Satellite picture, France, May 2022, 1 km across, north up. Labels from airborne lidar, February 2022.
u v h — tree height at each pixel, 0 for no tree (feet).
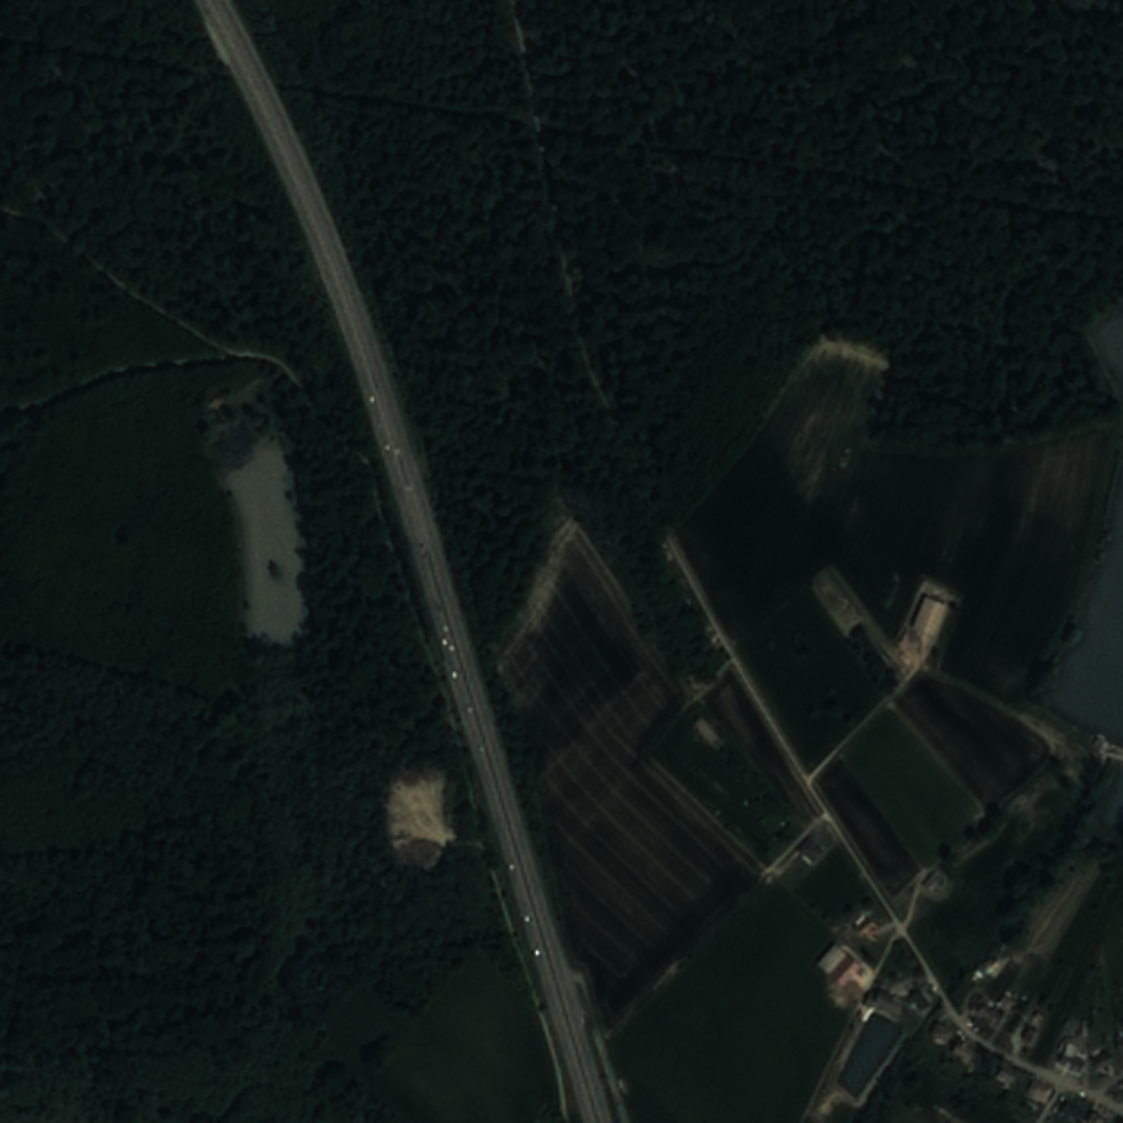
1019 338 100
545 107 80
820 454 0
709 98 99
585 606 0
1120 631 0
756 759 0
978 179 92
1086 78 97
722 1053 0
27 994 79
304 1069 76
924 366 103
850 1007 0
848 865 0
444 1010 0
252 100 0
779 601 0
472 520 89
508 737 30
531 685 0
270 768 66
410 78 79
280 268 41
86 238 70
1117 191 103
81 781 75
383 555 74
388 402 0
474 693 0
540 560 42
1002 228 95
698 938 0
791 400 0
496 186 85
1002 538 0
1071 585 0
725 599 0
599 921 0
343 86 54
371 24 78
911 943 0
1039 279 99
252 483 0
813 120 97
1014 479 0
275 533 0
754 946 0
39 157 81
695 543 0
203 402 54
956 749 0
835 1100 0
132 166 90
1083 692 0
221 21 0
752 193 93
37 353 72
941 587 0
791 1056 0
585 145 94
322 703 64
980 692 0
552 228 0
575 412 94
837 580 0
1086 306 100
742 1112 0
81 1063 74
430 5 85
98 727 84
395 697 87
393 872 32
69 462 40
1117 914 0
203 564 55
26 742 78
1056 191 94
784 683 0
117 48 88
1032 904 57
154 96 109
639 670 0
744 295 65
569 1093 0
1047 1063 0
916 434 93
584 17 92
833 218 101
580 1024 0
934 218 86
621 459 80
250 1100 71
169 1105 20
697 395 44
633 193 107
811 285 77
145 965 76
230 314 91
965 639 0
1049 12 109
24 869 75
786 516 0
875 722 0
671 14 104
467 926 47
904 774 0
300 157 0
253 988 77
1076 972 0
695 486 42
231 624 39
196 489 51
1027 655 0
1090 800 44
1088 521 0
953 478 0
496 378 86
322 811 45
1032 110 105
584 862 0
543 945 0
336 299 0
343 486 81
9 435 81
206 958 73
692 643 39
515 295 97
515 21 0
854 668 0
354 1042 0
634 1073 0
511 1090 0
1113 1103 0
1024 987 0
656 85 100
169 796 102
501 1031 0
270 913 59
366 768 46
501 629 43
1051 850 0
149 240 79
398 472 0
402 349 73
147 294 68
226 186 37
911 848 0
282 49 55
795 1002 0
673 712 0
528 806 22
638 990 0
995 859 0
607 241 111
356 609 85
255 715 66
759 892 0
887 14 101
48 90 72
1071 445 0
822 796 0
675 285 92
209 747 96
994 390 106
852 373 0
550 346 101
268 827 69
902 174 88
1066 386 90
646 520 74
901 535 0
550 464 86
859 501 0
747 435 32
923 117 92
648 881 0
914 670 0
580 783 0
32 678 82
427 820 0
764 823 0
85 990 63
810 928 0
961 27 106
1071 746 0
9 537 49
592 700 0
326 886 19
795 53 38
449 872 54
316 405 76
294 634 0
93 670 75
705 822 0
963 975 43
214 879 76
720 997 0
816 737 0
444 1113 0
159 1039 63
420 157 77
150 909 80
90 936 90
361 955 49
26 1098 69
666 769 0
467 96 70
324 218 0
